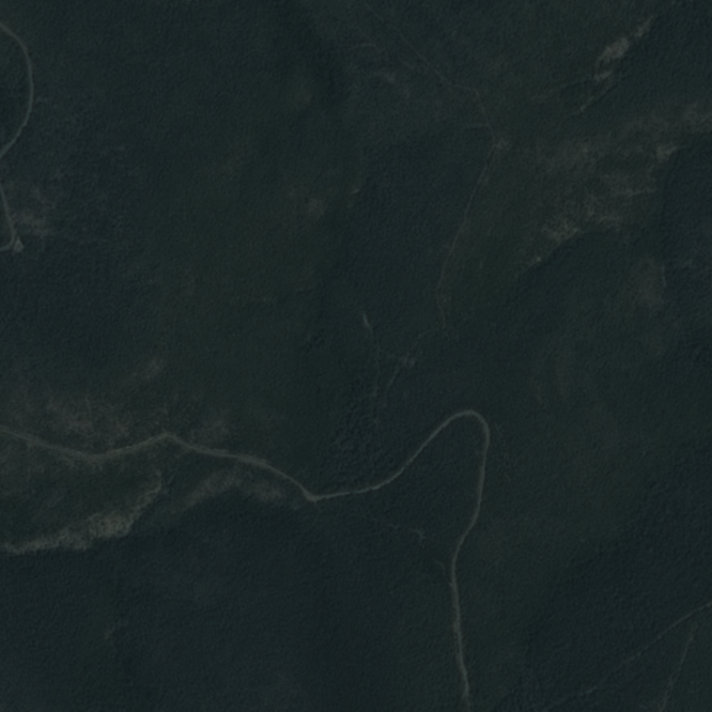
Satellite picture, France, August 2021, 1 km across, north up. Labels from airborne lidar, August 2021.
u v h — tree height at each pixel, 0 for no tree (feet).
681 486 23
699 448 21
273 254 18
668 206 17
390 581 18
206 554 18
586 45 22
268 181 19
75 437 21
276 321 20
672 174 20
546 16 19
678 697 18
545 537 19
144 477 18
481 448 18
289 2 30
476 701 29
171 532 35
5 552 31
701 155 25
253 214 19
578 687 27
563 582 45
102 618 20
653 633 22
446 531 19
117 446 21
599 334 20
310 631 22
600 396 18
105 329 20
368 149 19
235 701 19
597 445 24
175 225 19
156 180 19
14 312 19
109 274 18
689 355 23
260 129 24
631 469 25
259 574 20
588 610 26
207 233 19
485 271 18
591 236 19
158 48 22
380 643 21
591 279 17
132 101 19
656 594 19
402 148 19
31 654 18
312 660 22
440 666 28
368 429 22
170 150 17
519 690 27
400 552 20
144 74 19
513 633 30
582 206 17
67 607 21
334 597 23
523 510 20
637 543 29
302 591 20
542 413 19
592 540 24
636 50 25
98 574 30
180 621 20
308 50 29
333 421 19
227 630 19
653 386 20
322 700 25
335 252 19
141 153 23
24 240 23
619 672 25
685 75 17
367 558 22
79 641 18
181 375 18
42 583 19
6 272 18
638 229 23
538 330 18
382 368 17
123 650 33
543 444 17
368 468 31
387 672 18
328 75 25
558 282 22
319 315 24
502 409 18
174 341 19
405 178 19
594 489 20
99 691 34
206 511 32
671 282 20
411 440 18
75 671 27
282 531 29
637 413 18
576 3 17
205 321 19
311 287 20
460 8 22
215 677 24
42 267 24
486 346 19
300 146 21
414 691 23
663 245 23
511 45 19
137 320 18
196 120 20
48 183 20
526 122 21
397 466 29
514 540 20
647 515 31
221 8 17
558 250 35
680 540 19
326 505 20
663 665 19
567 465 24
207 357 19
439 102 0
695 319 18
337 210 21
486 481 25
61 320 20
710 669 22
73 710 28
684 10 19
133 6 20
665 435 24
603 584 29
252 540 20
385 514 26
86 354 24
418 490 22
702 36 20
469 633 22
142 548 26
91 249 19
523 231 18
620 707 22
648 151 18
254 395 18
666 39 18
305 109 18
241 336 21
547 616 21
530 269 20
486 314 19
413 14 18
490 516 20
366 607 21
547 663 23
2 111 28
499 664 20
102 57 19
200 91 19
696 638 19
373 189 18
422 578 21
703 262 20
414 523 18
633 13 21
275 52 20
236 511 34
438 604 24
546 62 18
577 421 22
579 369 21
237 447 23
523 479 21
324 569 31
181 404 19
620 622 23
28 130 21
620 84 24
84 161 22
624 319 20
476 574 23
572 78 24
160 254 18
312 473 23
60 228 22
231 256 18
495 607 18
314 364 23
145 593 21
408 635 25
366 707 29
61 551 28
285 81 20
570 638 22
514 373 17
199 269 18
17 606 20
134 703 25
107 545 19
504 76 27
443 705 28
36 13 19
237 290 22
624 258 20
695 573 25
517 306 23
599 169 23
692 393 25
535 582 23
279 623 18
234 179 19
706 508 22
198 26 20
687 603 22
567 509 24
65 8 22
